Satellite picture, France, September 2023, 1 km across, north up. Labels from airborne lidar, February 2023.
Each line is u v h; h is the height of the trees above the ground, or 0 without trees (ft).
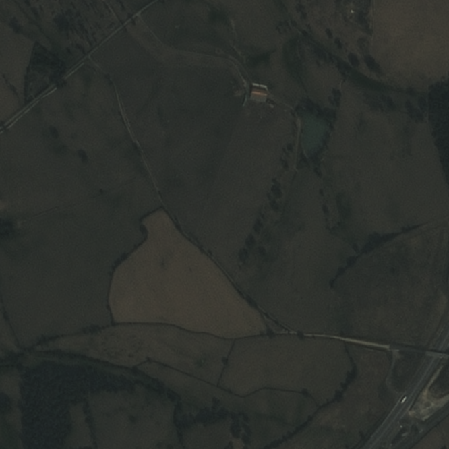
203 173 0
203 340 0
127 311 0
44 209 0
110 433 0
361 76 0
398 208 0
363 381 0
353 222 0
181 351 0
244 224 0
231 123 0
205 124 0
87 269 0
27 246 0
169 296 0
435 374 0
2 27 0
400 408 0
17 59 0
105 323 0
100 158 0
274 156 0
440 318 0
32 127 0
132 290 0
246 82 0
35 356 0
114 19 0
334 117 46
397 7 0
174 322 0
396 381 0
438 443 0
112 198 0
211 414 45
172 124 0
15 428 0
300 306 0
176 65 0
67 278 0
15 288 0
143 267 0
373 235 0
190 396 0
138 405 0
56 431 62
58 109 0
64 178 0
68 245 0
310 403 0
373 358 0
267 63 0
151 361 31
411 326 0
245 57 0
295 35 0
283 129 0
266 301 0
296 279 0
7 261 0
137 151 31
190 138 0
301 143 0
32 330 0
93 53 0
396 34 0
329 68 0
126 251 0
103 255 0
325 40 0
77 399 25
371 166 0
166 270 0
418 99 0
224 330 0
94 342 0
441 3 0
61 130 0
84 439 0
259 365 0
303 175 0
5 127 54
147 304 0
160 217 0
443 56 0
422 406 0
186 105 0
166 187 0
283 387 0
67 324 0
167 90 0
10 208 0
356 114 0
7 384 0
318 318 0
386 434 0
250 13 0
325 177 0
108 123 0
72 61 0
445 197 0
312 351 0
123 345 0
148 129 0
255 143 0
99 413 0
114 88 0
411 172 0
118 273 0
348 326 0
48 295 0
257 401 0
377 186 0
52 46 0
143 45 0
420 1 0
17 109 0
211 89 0
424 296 0
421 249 0
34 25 0
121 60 0
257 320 0
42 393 71
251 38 0
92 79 0
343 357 0
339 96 27
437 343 0
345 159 0
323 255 0
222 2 0
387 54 0
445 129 31
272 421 0
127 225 0
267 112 0
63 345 0
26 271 0
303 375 0
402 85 0
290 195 0
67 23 62
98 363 29
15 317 0
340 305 0
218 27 0
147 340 0
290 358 0
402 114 0
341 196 0
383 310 0
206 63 0
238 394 0
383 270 0
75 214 0
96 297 0
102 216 0
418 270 0
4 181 0
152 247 0
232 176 0
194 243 45
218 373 0
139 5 0
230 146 0
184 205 0
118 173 0
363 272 0
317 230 0
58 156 0
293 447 0
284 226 0
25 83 20
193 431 0
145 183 0
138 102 0
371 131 0
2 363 20
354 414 0
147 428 0
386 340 0
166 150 0
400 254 0
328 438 0
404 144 0
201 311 0
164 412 0
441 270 0
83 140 0
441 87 46
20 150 0
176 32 0
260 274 0
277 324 25
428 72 0
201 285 0
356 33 0
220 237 0
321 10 0
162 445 0
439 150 21
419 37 0
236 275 0
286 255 0
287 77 0
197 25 0
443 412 0
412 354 0
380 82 0
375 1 0
